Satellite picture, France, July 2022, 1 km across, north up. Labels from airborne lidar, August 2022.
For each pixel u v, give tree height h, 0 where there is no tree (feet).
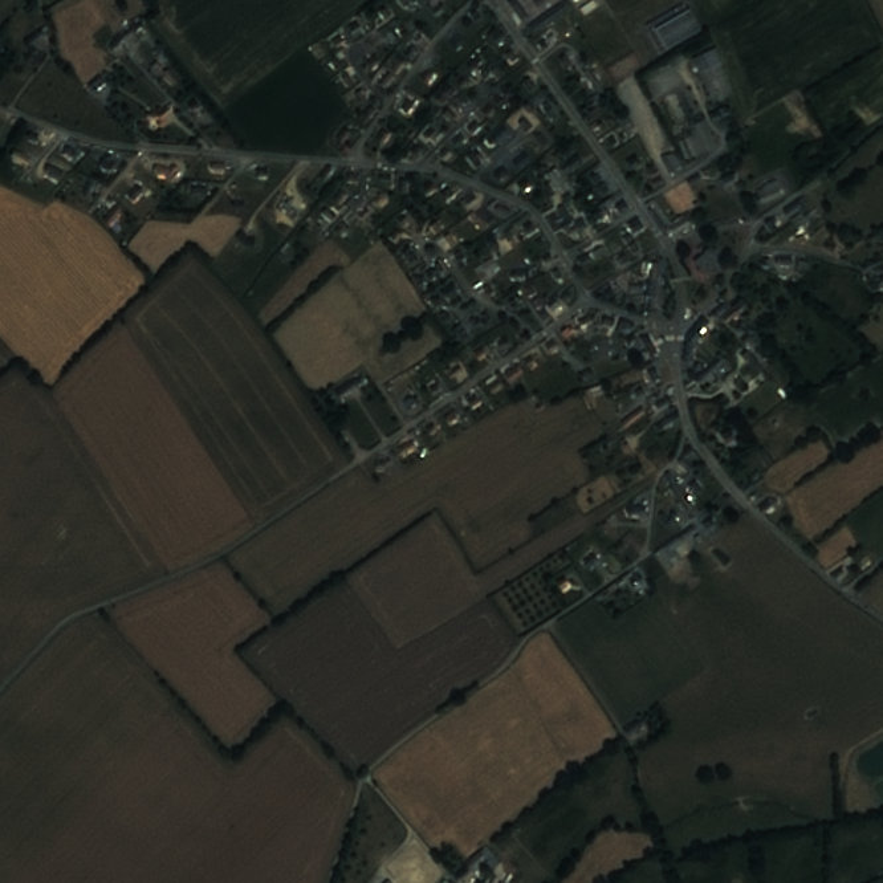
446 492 0
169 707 0
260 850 0
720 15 0
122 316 22
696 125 0
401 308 0
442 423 0
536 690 0
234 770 0
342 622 0
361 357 0
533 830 0
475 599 0
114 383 0
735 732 0
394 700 0
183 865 0
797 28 0
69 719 0
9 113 0
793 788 0
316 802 0
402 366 0
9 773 0
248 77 0
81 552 0
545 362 0
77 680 0
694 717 0
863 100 0
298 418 0
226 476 0
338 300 0
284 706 53
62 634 0
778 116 0
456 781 0
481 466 0
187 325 0
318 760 0
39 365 0
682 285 0
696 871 0
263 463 0
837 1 0
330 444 0
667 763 0
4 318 0
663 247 0
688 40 31
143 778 0
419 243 0
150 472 0
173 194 29
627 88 0
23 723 0
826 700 0
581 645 0
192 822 0
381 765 0
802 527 0
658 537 0
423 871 0
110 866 0
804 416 0
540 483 0
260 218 0
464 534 0
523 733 0
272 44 0
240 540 0
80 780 0
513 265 0
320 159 0
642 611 0
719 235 65
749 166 0
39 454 0
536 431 0
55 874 0
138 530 0
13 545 0
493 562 0
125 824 0
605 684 0
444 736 0
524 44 0
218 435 0
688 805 0
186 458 0
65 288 0
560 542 0
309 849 0
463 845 0
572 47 0
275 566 0
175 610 0
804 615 0
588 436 0
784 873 0
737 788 0
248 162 0
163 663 0
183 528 0
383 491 0
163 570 0
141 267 43
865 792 0
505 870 0
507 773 0
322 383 0
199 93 28
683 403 0
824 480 0
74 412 0
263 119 0
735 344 18
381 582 0
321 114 0
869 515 0
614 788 0
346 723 0
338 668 0
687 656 0
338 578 51
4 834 0
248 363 0
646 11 0
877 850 0
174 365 0
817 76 0
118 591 0
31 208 0
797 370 51
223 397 0
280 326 20
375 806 0
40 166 0
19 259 0
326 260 0
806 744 0
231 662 0
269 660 0
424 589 0
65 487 0
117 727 0
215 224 0
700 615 0
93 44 0
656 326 0
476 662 0
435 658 0
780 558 0
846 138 23
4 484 0
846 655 0
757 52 0
